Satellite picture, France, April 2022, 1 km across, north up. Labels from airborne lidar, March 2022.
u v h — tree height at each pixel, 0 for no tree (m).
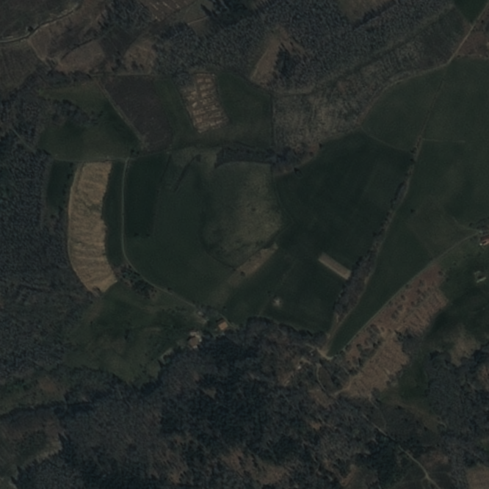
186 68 17
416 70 0
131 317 0
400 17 22
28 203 27
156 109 0
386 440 25
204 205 0
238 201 0
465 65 0
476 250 0
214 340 21
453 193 0
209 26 0
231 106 0
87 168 0
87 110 0
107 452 23
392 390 0
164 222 0
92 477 20
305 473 21
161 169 0
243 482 20
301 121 0
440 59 0
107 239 0
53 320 17
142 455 27
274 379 24
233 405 27
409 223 0
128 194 0
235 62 22
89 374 19
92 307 13
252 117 0
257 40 28
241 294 0
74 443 27
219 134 0
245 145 0
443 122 0
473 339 0
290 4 24
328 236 0
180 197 0
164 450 25
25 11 0
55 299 20
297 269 0
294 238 0
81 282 21
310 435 18
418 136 0
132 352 0
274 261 0
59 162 0
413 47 0
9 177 28
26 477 29
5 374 25
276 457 20
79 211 0
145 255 0
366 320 0
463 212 0
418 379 0
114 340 0
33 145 25
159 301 0
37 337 28
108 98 0
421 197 0
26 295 14
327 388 6
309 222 0
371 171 0
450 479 0
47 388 0
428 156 0
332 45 24
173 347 0
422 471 0
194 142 0
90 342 0
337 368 19
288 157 22
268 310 0
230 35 22
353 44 22
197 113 0
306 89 24
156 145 0
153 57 0
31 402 0
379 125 0
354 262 0
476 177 0
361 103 0
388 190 0
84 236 0
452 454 19
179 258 0
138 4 28
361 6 0
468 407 25
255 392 22
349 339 0
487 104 0
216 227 0
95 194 0
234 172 0
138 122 0
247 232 0
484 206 0
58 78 27
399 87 0
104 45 0
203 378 13
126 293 0
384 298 0
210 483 21
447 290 0
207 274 0
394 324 0
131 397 31
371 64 0
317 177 0
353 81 0
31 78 0
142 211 0
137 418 30
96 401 10
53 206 0
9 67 0
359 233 0
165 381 25
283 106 0
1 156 26
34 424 16
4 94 0
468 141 0
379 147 0
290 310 0
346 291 17
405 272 0
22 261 23
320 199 0
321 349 10
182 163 0
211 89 0
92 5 0
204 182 0
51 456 0
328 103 0
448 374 22
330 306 0
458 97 0
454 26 0
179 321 0
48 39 0
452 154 0
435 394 22
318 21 23
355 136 0
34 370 27
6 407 0
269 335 19
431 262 9
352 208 0
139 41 0
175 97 0
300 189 0
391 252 0
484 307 0
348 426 32
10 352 29
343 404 26
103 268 0
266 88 9
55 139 0
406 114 0
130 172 0
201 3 0
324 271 0
